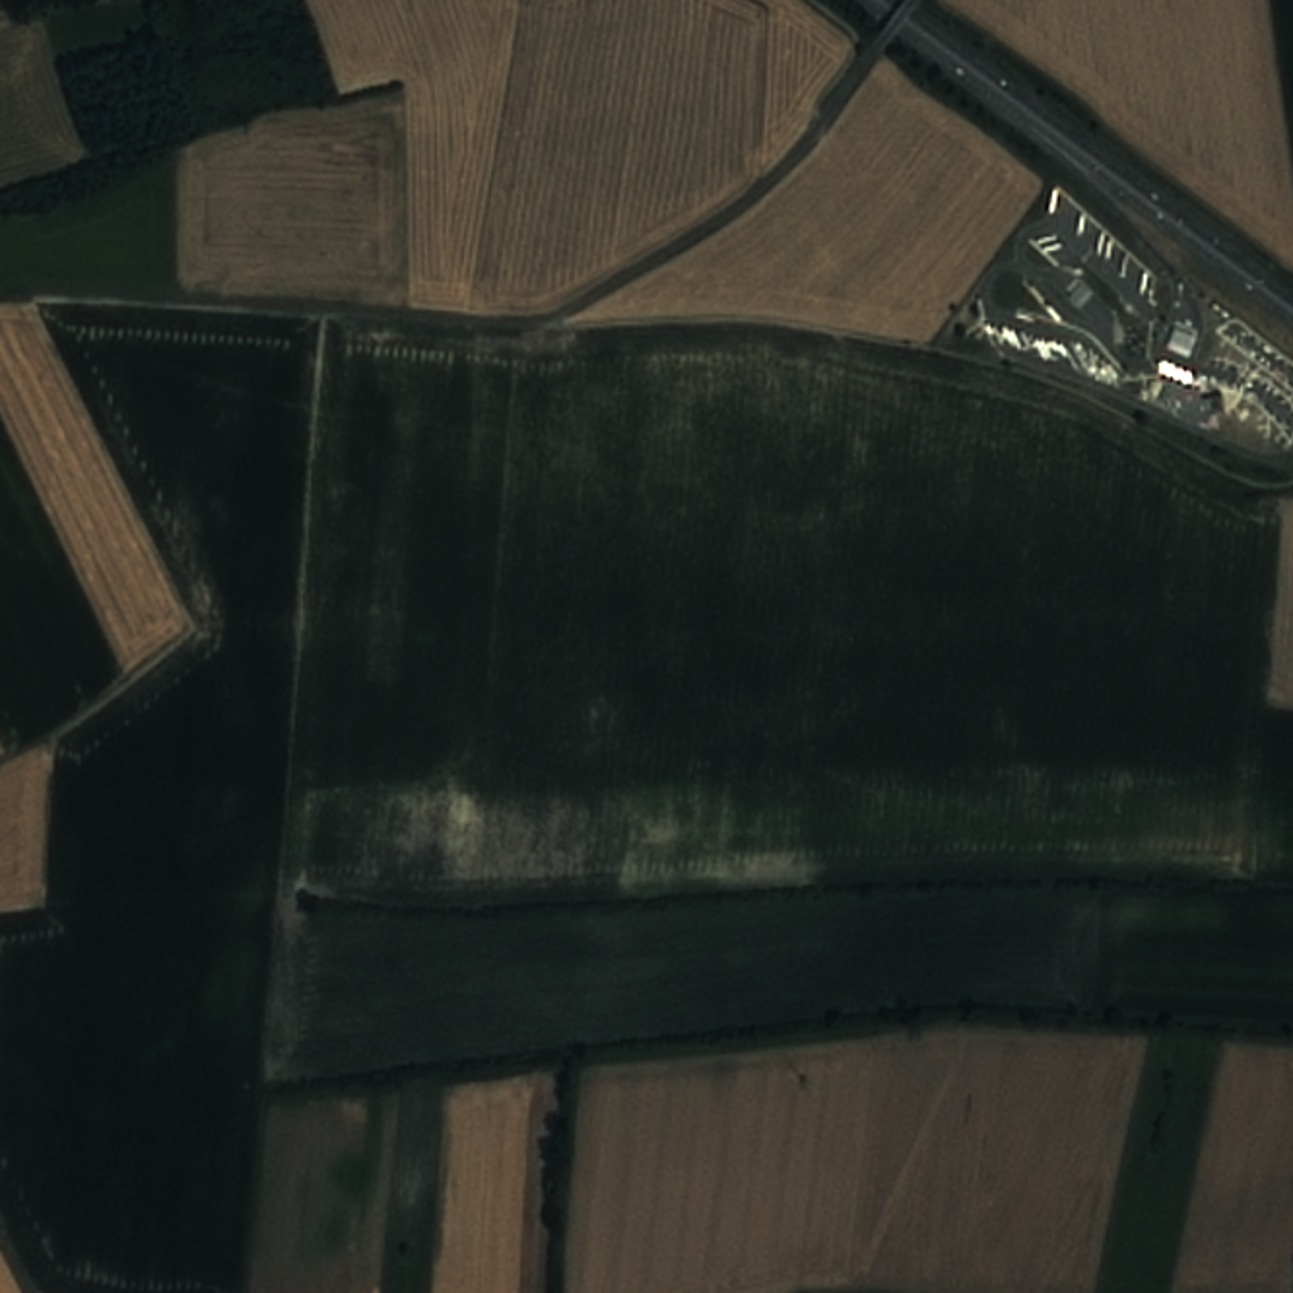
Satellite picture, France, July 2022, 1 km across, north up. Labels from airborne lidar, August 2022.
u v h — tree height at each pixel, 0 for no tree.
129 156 12
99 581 0
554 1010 0
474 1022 0
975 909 0
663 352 0
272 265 0
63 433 0
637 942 0
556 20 0
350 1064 0
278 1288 0
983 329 0
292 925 0
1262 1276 0
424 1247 0
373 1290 0
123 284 0
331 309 0
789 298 0
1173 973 0
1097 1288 0
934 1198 0
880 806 0
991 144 0
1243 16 0
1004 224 0
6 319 0
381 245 0
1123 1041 0
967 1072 0
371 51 0
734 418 0
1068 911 0
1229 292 0
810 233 0
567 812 0
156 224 0
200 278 0
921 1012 11
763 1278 0
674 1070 0
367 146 0
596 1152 0
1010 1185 0
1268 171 0
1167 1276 0
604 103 0
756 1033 7
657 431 0
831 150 0
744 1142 0
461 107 0
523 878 0
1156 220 0
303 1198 0
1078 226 0
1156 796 0
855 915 0
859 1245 0
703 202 0
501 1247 0
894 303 0
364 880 0
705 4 0
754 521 0
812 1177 0
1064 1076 0
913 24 0
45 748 0
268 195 0
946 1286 0
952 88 10
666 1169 0
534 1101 0
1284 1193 0
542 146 0
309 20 13
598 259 0
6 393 0
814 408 0
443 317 0
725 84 0
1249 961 0
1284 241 0
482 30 0
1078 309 0
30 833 0
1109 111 0
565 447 0
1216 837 0
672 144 0
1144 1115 0
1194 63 0
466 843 0
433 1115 0
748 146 0
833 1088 0
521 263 0
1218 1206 0
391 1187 0
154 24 18
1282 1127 0
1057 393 0
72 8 18
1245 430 0
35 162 0
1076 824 0
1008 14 0
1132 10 0
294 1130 0
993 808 0
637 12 0
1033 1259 0
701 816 0
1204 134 0
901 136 0
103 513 0
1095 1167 0
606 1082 0
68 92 17
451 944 0
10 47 0
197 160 0
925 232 0
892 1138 0
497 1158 0
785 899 7
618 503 0
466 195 0
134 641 0
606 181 0
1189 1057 0
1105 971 0
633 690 0
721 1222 0
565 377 0
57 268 0
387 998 0
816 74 0
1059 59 0
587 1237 0
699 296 0
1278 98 0
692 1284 0
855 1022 6
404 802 0
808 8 0
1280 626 0
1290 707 0
